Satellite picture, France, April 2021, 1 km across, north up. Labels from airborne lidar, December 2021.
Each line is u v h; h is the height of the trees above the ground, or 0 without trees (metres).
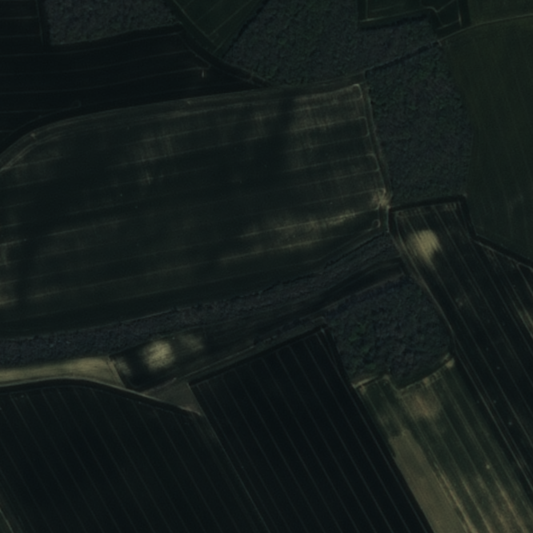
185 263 0
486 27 0
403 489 0
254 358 0
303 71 16
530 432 0
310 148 0
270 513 0
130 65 0
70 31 15
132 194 0
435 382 0
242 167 0
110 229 0
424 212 0
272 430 0
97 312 0
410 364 12
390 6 0
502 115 0
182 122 0
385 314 22
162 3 7
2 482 0
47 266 0
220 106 0
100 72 0
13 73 0
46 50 0
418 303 21
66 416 0
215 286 0
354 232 0
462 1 0
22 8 0
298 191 0
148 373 0
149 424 0
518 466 0
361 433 0
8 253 0
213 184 0
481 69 0
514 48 0
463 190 10
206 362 0
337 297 0
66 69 0
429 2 0
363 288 0
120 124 0
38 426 0
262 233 0
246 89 0
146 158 0
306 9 19
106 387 0
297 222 0
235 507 0
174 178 0
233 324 0
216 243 0
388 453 0
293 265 0
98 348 8
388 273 0
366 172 0
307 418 0
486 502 0
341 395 0
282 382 0
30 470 0
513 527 0
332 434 0
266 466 0
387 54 15
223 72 0
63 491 0
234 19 0
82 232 0
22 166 0
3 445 0
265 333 0
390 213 0
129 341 7
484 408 0
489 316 0
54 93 0
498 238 0
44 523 0
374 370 6
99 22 18
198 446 0
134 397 0
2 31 0
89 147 0
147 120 0
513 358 0
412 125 21
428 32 14
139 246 0
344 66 13
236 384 0
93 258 0
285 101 0
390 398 0
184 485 0
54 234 0
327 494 0
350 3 15
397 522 0
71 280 0
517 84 0
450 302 0
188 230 0
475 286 0
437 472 0
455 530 0
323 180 0
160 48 0
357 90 0
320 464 0
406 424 0
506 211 0
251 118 0
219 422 0
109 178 0
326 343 0
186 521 0
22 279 0
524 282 0
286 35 18
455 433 0
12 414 0
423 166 18
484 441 0
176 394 0
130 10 13
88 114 0
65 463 0
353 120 0
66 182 0
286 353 0
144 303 0
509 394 0
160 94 0
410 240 0
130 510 0
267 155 0
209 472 0
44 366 0
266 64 13
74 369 0
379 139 11
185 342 0
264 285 0
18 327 0
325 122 0
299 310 0
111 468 0
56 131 0
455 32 0
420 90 18
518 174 0
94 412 0
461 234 0
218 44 0
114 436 0
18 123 0
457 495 0
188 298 0
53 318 0
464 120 17
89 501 0
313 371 0
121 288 0
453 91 20
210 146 0
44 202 0
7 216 0
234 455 0
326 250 0
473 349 0
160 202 0
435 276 0
